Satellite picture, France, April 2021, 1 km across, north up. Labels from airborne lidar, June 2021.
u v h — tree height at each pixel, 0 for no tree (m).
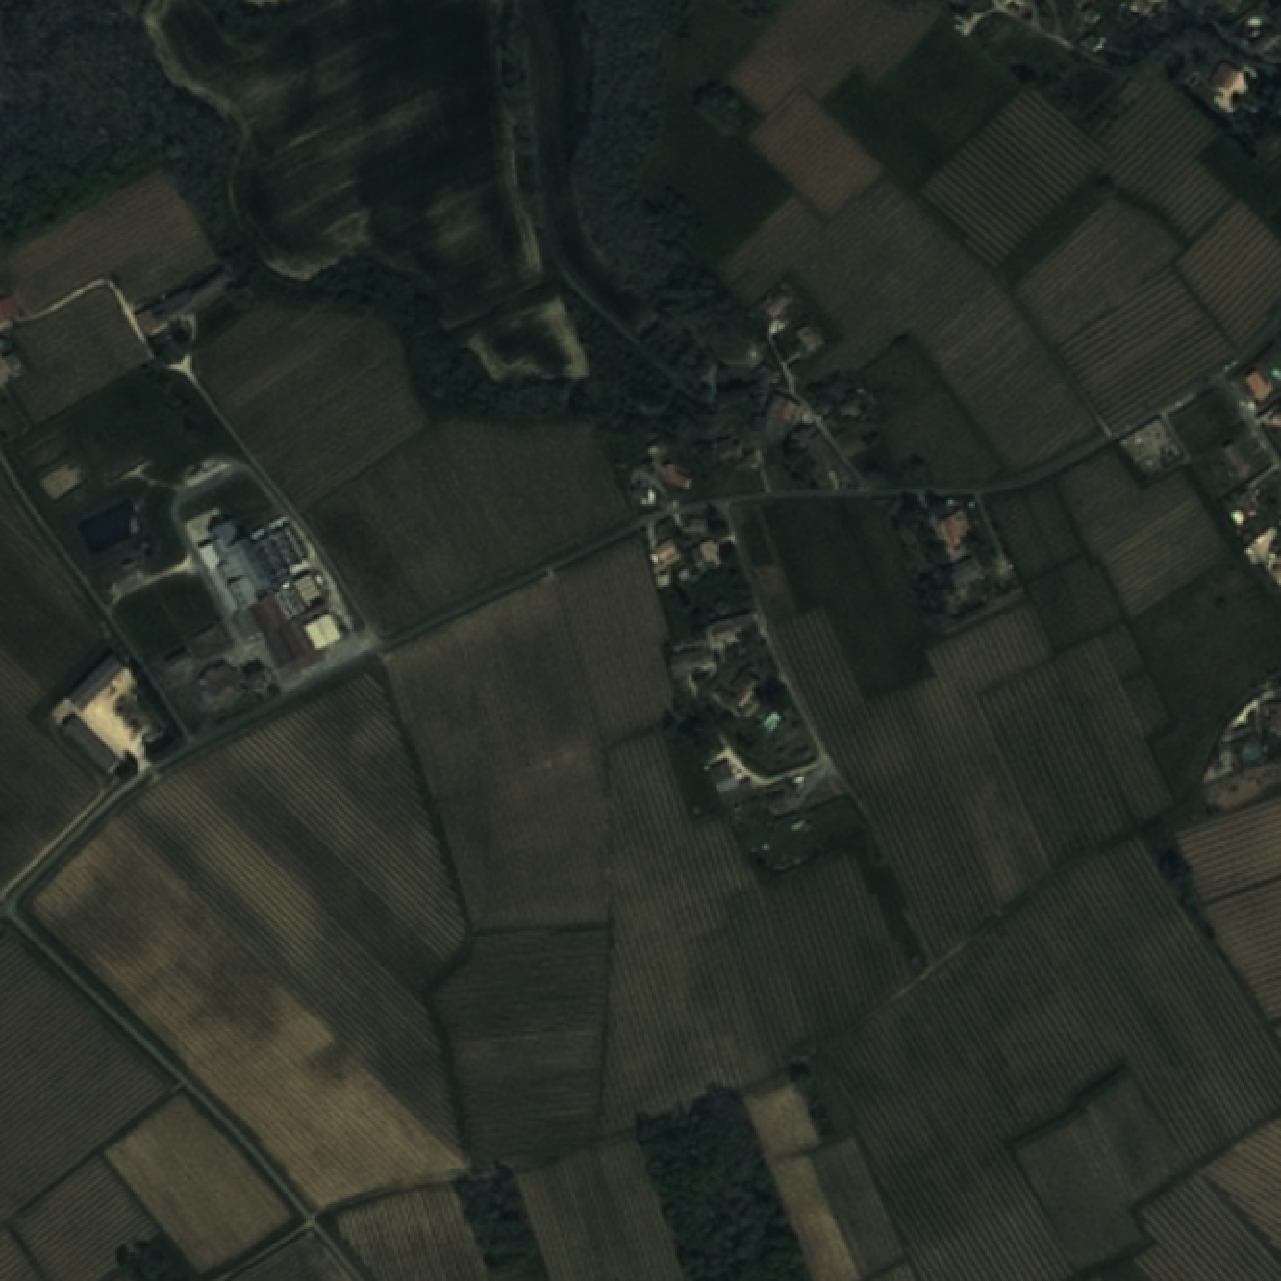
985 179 0
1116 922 0
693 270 12
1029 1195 0
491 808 0
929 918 0
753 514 0
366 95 0
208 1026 0
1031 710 0
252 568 0
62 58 13
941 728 0
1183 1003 0
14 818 0
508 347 0
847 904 0
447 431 0
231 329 0
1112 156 0
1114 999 0
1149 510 0
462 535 0
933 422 0
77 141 19
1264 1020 0
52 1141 0
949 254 0
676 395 5
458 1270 0
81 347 0
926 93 0
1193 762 0
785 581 0
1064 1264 0
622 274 18
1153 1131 0
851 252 0
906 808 0
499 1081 0
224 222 22
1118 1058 0
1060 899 0
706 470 7
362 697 0
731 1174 17
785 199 0
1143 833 0
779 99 0
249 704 0
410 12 0
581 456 0
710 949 0
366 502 0
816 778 0
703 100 12
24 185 20
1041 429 0
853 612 0
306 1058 0
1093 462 0
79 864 0
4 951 0
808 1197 0
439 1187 0
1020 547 0
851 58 0
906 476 9
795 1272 21
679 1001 0
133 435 0
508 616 0
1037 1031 0
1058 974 0
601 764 0
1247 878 0
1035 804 0
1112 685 0
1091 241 0
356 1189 0
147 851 0
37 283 0
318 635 0
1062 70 8
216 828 0
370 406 0
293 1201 0
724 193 0
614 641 0
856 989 0
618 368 8
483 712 0
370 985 0
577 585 0
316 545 0
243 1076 0
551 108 0
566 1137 0
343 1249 0
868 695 0
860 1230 0
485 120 0
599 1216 0
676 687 0
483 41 0
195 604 0
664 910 0
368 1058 0
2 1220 0
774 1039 0
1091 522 0
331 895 0
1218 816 11
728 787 0
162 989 0
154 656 0
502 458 0
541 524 0
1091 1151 0
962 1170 0
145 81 19
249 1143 0
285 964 0
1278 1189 0
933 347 0
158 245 0
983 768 0
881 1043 0
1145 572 0
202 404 0
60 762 0
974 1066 0
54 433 0
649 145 20
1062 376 0
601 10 19
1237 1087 0
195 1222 0
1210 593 0
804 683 0
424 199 0
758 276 0
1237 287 0
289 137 0
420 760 0
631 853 0
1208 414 0
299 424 0
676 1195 18
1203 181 0
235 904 0
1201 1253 0
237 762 0
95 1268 0
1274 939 0
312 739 0
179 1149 0
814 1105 8
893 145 0
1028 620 0
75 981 0
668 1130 12
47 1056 0
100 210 0
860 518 0
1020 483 0
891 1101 0
